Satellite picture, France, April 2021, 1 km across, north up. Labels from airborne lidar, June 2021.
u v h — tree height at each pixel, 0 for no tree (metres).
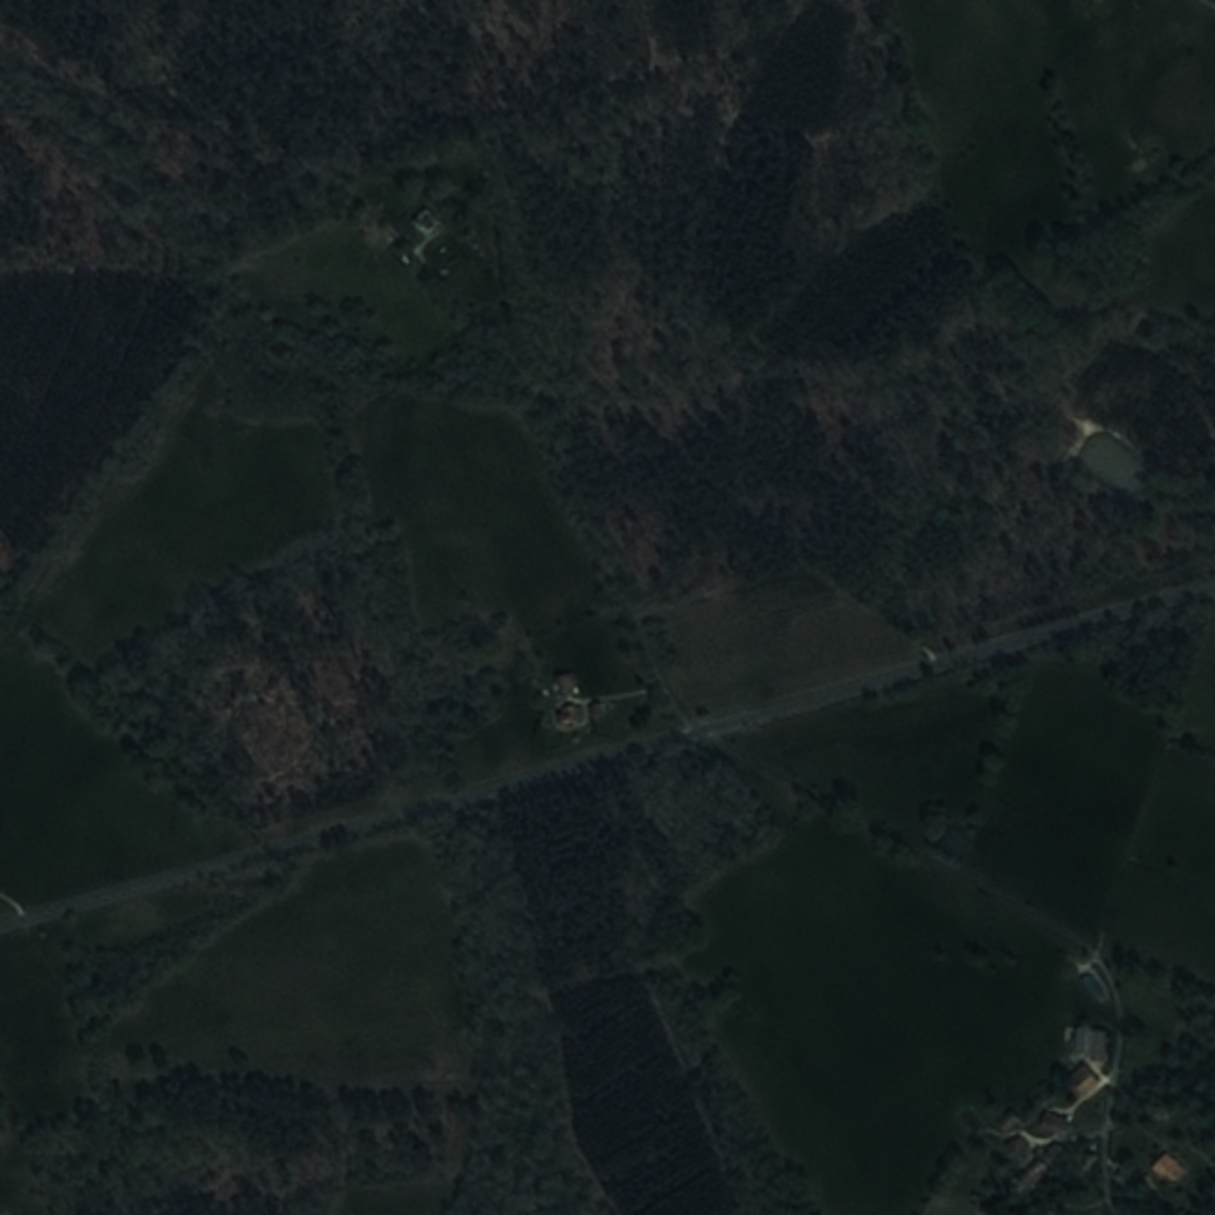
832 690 0
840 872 0
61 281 9
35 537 13
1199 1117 14
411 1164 16
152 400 20
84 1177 17
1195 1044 8
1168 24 0
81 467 16
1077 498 15
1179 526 15
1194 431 7
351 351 12
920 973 0
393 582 9
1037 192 0
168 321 14
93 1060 17
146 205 15
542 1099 12
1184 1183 0
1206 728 0
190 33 9
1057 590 12
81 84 13
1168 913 0
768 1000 0
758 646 0
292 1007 0
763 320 19
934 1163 0
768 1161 16
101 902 0
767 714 0
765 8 20
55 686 0
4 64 11
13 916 0
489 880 16
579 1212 18
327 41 17
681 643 0
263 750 6
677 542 20
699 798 20
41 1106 0
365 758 8
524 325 20
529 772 0
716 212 23
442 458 0
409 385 15
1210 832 0
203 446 0
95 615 0
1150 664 25
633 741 0
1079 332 20
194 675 18
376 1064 0
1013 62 0
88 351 11
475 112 20
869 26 8
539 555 0
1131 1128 18
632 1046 10
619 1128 11
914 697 10
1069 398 13
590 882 21
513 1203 19
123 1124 22
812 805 13
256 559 0
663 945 22
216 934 12
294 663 17
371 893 0
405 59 22
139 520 0
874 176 10
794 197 19
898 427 17
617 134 8
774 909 0
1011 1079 0
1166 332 17
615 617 15
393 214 0
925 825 11
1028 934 0
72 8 16
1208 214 0
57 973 0
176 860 0
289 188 8
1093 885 0
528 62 7
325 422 12
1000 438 29
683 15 7
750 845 17
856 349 19
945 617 12
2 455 13
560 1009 11
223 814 18
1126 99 0
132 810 0
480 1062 11
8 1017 0
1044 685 0
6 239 23
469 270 0
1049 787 0
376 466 0
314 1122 18
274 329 9
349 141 20
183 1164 23
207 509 0
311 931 0
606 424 10
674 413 20
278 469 0
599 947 20
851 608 0
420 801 0
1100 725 0
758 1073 0
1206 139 0
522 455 0
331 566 19
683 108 13
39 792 0
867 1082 0
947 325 15
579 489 20
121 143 24
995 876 0
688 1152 11
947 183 0
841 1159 0
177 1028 0
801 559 20
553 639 0
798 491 21
